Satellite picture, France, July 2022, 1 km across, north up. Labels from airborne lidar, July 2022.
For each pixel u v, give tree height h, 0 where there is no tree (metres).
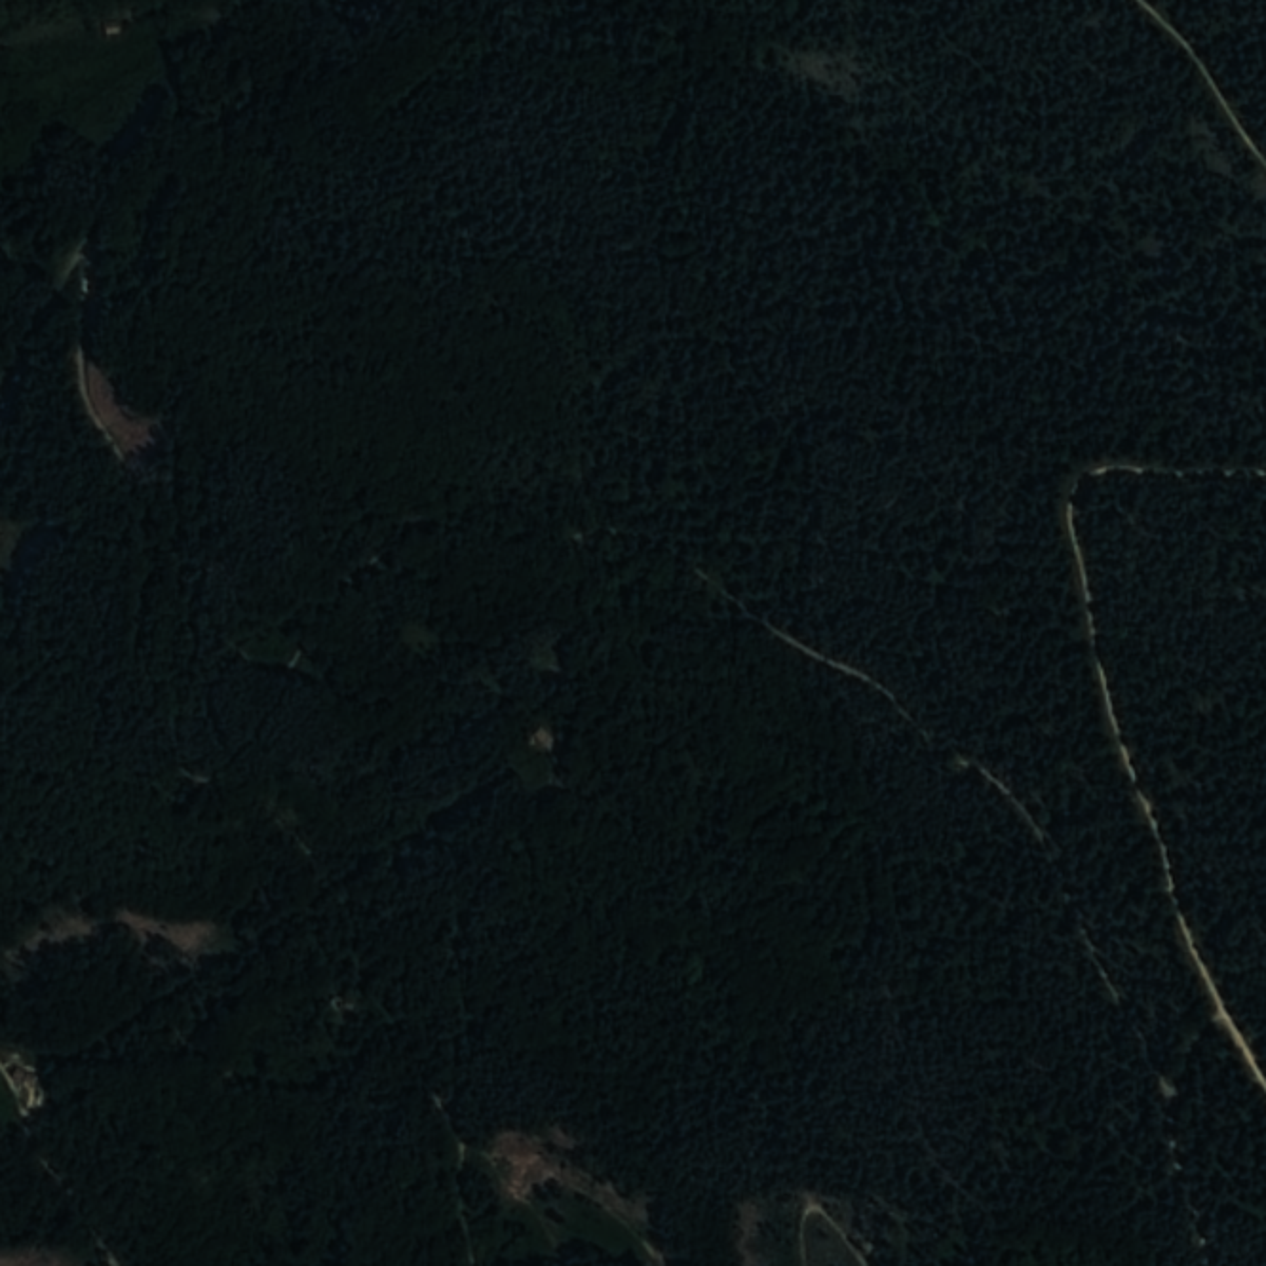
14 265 32
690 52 22
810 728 27
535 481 8
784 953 30
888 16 14
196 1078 23
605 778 14
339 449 24
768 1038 25
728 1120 25
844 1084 20
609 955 16
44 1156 18
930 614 21
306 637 23
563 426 22
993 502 22
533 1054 24
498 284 24
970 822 27
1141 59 22
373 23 30
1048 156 15
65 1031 22
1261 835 19
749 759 19
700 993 24
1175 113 23
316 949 5
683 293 25
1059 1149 22
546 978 18
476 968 25
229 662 27
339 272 19
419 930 21
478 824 39
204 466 20
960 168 28
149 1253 8
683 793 12
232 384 24
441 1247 24
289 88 23
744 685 16
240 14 12
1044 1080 15
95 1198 21
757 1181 20
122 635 25
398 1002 19
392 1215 21
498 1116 29
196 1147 27
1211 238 28
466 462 20
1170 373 34
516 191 17
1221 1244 21
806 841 23
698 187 13
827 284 19
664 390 13
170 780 15
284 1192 17
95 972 29
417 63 18
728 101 26
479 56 11
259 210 22
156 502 21
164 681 20
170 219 30
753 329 25
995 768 21
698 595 18
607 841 16
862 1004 16
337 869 19
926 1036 22
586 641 18
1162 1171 21
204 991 17
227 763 23
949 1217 24
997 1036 22
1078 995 23
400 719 28
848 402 23
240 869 20
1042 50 21
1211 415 31
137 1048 22
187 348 26
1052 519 30
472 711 28
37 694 29
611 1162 27
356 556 26
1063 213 5
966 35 26
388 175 26
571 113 22
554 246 25
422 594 20
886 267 31
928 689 24
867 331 17
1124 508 21
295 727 29
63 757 24
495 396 22
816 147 30
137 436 0
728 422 24
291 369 26
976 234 19
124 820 22
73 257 0
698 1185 14
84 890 21
